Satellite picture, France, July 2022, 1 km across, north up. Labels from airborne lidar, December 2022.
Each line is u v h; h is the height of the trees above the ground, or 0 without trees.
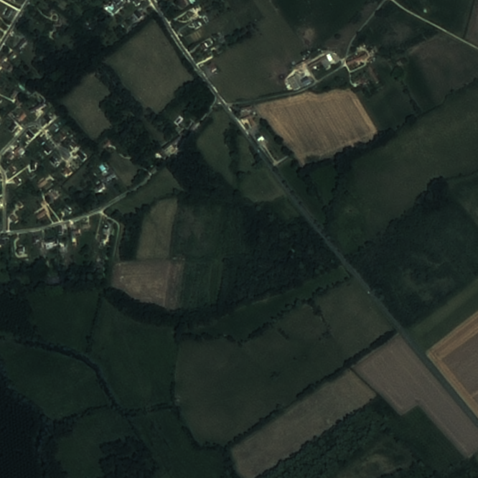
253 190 0
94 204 16
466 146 0
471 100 0
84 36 9
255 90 0
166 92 0
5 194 0
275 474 22
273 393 0
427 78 0
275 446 0
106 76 25
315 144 0
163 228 0
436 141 0
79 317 0
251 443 0
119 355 0
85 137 14
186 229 0
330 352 0
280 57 0
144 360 0
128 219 22
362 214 0
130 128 11
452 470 15
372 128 0
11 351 0
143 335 0
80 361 0
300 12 0
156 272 0
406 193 0
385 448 0
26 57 0
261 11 0
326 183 0
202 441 0
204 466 0
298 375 0
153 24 0
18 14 0
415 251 7
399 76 10
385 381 0
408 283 0
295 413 0
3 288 21
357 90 8
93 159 7
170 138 15
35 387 0
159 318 17
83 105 0
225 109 0
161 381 0
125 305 23
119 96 16
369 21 0
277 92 0
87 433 0
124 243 11
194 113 17
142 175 16
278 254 8
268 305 0
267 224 14
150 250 0
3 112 13
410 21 0
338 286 7
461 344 0
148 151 22
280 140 15
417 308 8
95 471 0
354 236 0
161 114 10
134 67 0
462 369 0
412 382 0
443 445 0
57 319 0
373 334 0
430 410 0
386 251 11
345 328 0
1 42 0
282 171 0
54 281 0
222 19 0
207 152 0
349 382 0
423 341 0
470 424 0
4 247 8
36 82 16
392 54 11
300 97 0
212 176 22
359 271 9
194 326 18
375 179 0
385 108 0
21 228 0
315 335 0
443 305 0
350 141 0
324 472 13
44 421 17
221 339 13
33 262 0
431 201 19
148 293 0
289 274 13
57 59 16
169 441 0
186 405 0
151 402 0
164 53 0
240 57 0
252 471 0
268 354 0
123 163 0
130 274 0
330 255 20
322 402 0
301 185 0
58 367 0
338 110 0
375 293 11
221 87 0
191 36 0
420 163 0
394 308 13
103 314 0
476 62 0
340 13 0
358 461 0
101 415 0
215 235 0
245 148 0
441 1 0
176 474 0
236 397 0
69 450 0
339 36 8
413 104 11
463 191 0
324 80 0
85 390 0
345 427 16
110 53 14
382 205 0
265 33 0
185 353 0
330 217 14
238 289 12
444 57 0
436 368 0
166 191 0
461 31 0
